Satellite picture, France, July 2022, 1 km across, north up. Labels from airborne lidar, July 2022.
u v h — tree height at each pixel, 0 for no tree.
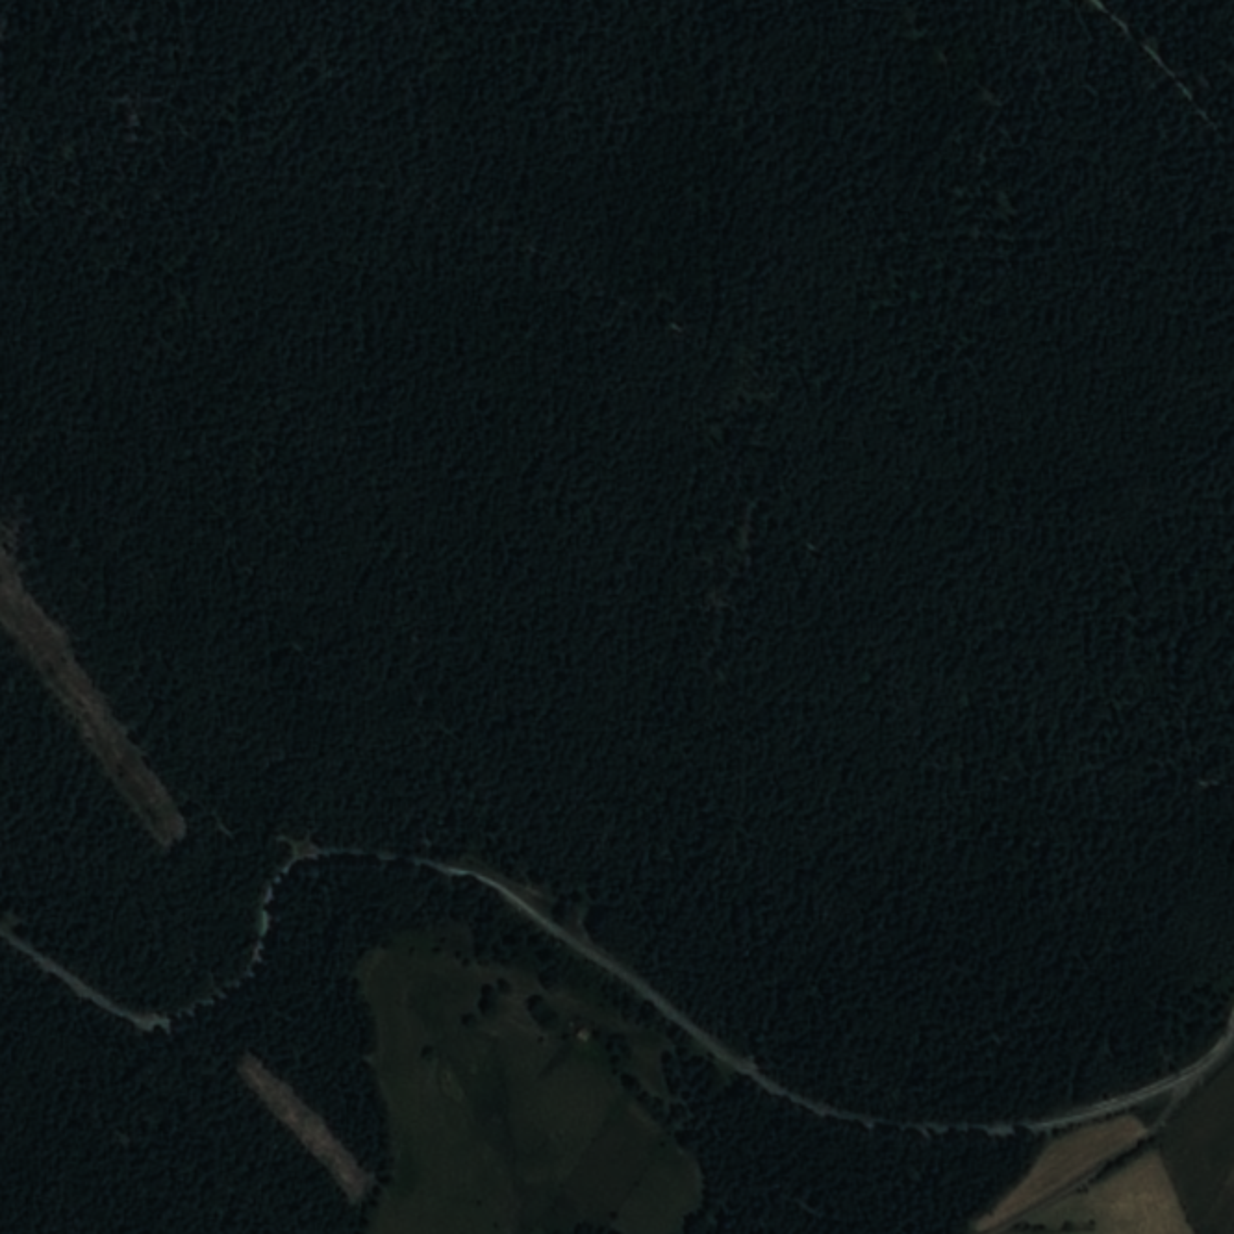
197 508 16
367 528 18
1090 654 22
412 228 18
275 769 17
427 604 18
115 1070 20
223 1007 24
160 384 15
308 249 20
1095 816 18
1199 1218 0
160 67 18
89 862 21
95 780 22
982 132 19
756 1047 21
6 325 21
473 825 19
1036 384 19
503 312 17
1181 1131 0
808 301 17
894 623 19
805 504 17
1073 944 22
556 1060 0
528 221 20
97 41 18
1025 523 22
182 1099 18
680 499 17
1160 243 17
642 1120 0
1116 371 17
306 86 23
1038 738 7
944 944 16
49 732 19
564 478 17
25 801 19
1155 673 13
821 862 22
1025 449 14
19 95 17
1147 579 20
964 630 20
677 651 16
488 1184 0
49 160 20
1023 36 23
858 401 18
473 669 18
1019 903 20
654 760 16
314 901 15
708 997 20
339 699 17
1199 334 20
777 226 21
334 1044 21
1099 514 18
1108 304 15
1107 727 19
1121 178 18
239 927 16
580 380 18
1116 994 21
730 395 21
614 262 19
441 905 19
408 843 18
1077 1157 0
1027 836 15
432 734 16
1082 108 20
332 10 21
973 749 17
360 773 16
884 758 20
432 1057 12
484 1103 0
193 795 19
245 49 18
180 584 15
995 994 22
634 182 12
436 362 17
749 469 18
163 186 16
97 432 17
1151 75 18
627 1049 12
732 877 16
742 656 19
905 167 12
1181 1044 22
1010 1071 22
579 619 16
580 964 12
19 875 17
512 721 22
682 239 10
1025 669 22
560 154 14
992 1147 17
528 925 7
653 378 17
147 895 18
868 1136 25
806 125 16
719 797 16
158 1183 17
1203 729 19
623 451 18
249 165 16
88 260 16
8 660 13
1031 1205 0
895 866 20
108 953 16
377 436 15
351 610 18
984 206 18
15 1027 19
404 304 17
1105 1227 0
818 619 10
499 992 6
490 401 18
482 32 10
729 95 18
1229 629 13
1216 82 18
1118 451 17
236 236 18
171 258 10
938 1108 18
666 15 13
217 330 19
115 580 19
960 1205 15
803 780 22
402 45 23
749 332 18
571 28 18
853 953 26
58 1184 20
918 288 16
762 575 16
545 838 21
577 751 21
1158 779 16
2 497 15
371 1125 23
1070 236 18
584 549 17
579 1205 0
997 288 19
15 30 18
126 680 14
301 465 16
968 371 21
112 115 18
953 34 12
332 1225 22
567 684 20
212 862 11
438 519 17
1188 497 18
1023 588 19
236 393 14
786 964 23
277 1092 0
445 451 19
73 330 16
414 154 16
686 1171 0
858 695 20
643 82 11
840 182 20
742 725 19
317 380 17
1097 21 19
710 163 13
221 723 18
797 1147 18
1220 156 23
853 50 16
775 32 22
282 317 17
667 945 21
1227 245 22
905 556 17
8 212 16
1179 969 25
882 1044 21
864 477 17
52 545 15
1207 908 23
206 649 17
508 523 16
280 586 18
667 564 15
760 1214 24
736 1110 22
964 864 21
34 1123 16
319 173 16
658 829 20
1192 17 19
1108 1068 17
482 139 20
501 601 17
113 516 19
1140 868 17
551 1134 0
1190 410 16
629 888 23
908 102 14
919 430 17
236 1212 22
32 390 17
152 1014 11
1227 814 18
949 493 18
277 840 14
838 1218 19
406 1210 0
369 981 0
